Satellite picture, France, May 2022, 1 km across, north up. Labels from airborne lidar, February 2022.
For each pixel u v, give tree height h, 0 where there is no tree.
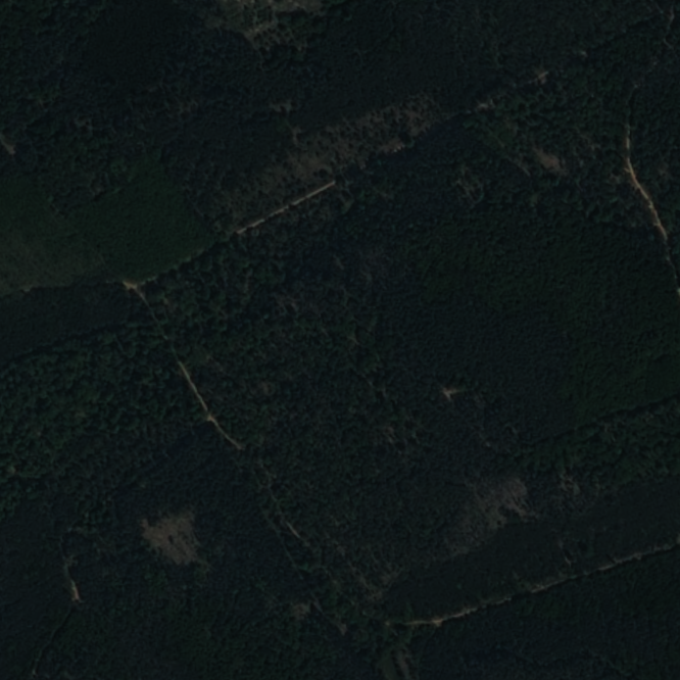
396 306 23
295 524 32
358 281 18
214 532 25
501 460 22
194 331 31
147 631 18
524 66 30
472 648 10
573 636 10
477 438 25
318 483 28
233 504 23
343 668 22
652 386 0
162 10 11
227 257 29
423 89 10
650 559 10
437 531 22
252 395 30
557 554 9
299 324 30
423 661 6
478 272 14
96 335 27
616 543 8
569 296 19
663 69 19
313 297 27
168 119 13
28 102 30
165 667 18
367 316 27
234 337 30
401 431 27
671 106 15
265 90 11
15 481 10
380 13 17
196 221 15
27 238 15
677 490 9
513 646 7
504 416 21
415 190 28
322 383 27
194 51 31
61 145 27
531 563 12
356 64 12
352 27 14
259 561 21
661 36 18
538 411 18
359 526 24
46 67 25
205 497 23
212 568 23
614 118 25
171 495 27
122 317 17
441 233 25
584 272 22
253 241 7
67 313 16
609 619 7
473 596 10
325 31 17
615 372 21
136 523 27
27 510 13
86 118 10
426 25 12
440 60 14
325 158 0
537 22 26
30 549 13
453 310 22
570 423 15
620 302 25
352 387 25
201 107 14
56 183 25
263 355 33
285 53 19
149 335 5
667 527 9
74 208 16
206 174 11
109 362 28
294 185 8
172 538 0
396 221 28
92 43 16
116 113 12
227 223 12
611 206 27
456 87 13
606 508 10
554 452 20
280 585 21
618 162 25
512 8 25
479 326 21
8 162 26
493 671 26
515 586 10
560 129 11
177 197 10
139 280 17
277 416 32
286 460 26
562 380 16
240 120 12
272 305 8
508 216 30
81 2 31
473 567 11
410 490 25
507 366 17
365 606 32
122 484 11
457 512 26
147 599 23
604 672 18
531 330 21
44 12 18
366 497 25
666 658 9
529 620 14
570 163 25
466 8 28
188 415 10
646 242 28
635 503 9
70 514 14
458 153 25
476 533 22
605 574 7
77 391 27
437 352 23
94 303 18
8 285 19
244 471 28
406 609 7
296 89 12
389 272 22
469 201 0
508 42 27
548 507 25
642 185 24
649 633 11
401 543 25
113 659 17
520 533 12
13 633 12
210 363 32
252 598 28
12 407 28
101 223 15
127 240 17
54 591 13
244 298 30
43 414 29
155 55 8
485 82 14
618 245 23
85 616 17
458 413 24
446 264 17
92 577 18
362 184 26
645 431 25
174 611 12
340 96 14
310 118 13
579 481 27
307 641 27
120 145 31
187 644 16
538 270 16
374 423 25
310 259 10
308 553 31
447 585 13
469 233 26
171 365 19
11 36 26
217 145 12
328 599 31
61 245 16
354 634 30
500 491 26
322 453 29
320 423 28
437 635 12
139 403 37
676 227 26
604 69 15
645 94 18
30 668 15
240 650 21
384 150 0
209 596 22
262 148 15
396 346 28
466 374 21
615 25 27
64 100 12
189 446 23
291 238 8
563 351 18
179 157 9
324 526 30
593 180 23
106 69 17
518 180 19
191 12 8
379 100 12
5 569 12
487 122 32
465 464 26
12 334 19
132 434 10
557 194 31
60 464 10
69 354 29
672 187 23
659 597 11
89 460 11
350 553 29
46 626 13
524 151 29
